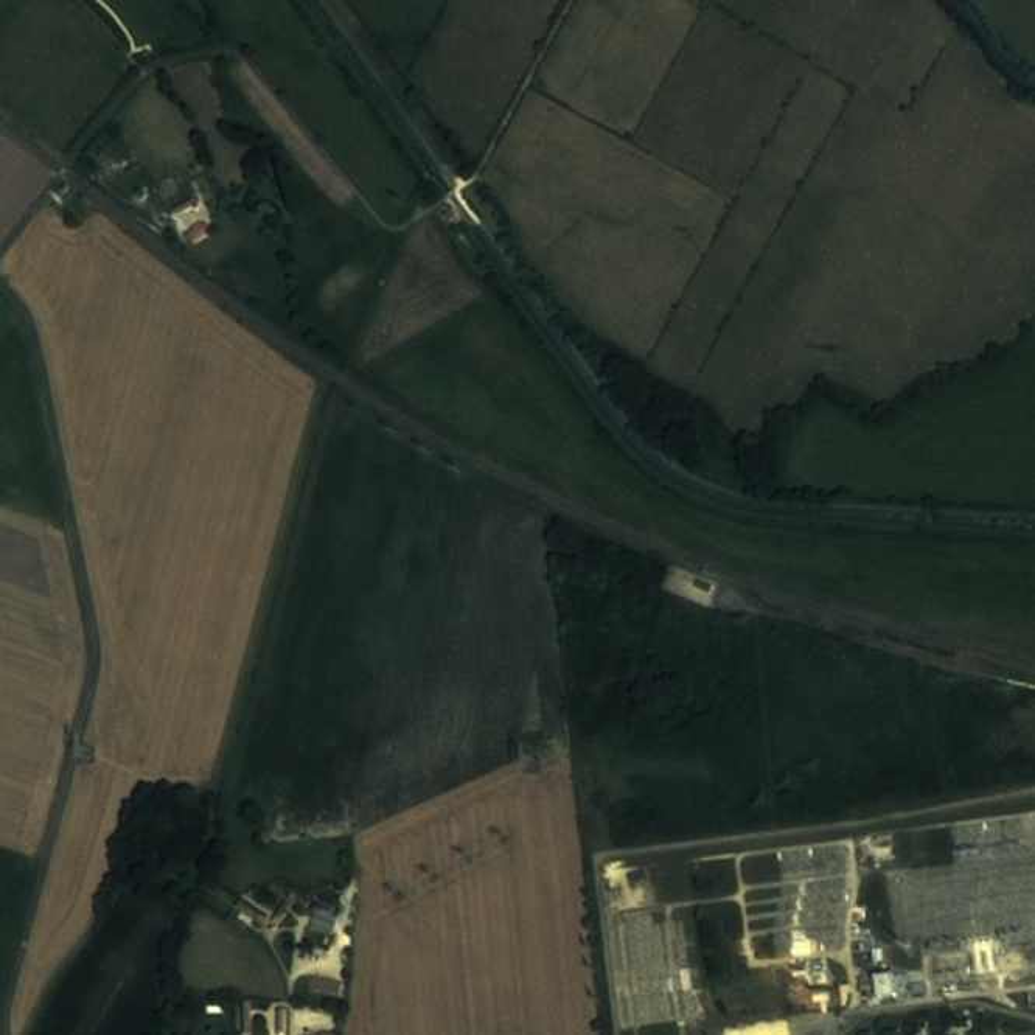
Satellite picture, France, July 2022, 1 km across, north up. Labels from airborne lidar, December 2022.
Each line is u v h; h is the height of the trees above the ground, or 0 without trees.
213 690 0
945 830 0
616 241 0
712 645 6
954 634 0
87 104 0
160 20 0
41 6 0
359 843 0
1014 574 0
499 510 0
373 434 0
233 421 0
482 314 0
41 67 0
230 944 0
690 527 0
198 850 17
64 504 0
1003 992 0
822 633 8
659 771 0
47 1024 0
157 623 0
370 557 0
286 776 0
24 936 0
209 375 0
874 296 0
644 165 0
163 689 0
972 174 0
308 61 0
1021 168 0
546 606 0
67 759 0
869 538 0
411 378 0
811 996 0
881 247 0
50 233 0
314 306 0
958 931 0
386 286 0
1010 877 0
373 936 0
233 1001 14
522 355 0
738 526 0
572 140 0
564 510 0
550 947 0
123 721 0
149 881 27
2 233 0
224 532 0
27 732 0
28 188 0
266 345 0
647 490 0
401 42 0
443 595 0
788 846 0
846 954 0
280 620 0
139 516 0
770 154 0
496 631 0
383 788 0
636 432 13
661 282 0
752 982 0
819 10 0
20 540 0
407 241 0
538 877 0
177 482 0
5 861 0
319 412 0
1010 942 0
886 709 6
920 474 0
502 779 0
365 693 0
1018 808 0
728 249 0
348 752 0
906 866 0
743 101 0
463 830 0
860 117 0
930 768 8
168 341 0
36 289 0
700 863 0
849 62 0
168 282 0
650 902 0
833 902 0
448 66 0
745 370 0
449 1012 0
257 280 0
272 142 20
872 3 0
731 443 0
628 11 0
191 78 0
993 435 0
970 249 0
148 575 0
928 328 0
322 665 0
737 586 0
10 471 0
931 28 0
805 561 0
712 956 10
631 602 7
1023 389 0
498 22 0
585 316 0
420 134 0
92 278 0
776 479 18
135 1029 0
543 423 0
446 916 0
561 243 0
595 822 0
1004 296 0
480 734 0
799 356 0
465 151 7
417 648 0
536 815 0
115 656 0
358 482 0
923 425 0
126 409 0
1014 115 0
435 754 0
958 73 0
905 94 0
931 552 0
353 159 0
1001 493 0
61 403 0
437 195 10
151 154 0
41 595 0
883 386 0
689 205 0
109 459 0
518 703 0
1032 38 0
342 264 0
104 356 0
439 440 0
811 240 0
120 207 0
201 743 0
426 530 0
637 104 0
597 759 0
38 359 0
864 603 0
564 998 0
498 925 0
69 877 0
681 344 0
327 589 0
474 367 0
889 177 0
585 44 0
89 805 0
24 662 0
